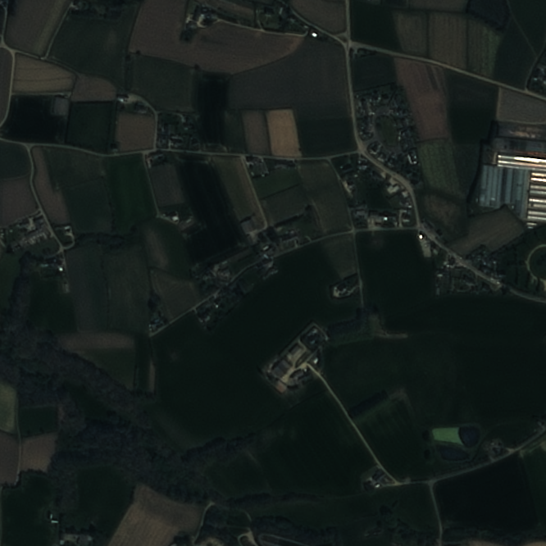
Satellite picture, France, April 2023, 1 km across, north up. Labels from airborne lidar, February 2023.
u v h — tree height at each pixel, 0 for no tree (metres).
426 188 0
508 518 0
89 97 0
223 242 0
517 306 0
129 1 0
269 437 0
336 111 0
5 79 0
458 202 0
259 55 0
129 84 0
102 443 18
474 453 0
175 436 0
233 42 0
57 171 0
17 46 0
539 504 0
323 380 0
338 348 0
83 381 25
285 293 0
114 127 0
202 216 0
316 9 0
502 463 0
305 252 0
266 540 0
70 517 0
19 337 23
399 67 0
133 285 0
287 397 0
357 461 0
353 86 0
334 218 0
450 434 0
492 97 0
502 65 0
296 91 0
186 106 0
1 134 0
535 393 0
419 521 0
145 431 16
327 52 0
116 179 0
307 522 0
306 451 0
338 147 0
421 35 0
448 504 0
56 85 0
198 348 0
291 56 0
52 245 0
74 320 0
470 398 0
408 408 0
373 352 0
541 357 0
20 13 0
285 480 0
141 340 0
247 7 0
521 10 0
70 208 0
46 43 0
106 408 0
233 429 0
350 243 0
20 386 24
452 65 0
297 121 0
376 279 0
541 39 0
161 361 0
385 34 0
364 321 22
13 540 0
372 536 0
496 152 0
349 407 0
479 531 8
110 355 0
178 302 0
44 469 0
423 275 0
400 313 0
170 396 0
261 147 0
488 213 0
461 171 0
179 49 0
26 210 0
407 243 0
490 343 0
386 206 0
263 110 0
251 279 0
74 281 0
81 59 0
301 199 0
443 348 0
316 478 0
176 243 0
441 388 0
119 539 0
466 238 0
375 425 0
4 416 0
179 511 0
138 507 0
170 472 10
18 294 21
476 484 0
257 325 0
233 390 0
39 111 0
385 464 0
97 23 0
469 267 0
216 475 0
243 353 0
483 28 0
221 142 0
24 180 0
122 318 0
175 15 0
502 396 0
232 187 0
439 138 0
